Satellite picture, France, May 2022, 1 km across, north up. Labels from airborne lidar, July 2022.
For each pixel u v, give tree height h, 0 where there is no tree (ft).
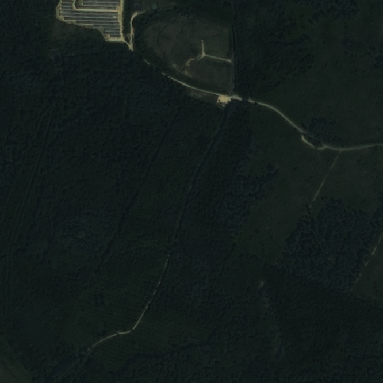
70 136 102
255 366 115
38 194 37
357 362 79
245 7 86
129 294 25
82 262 74
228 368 79
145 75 67
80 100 74
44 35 58
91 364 102
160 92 83
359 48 81
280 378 56
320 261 101
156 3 0
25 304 53
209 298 70
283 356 88
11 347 71
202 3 27
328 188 0
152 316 34
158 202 43
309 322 83
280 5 94
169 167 29
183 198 41
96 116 102
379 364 88
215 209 55
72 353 37
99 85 76
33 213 39
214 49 0
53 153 77
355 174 0
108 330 22
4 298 55
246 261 79
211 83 0
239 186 96
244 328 103
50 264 85
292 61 50
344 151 0
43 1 33
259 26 54
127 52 57
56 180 56
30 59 29
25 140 59
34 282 29
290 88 0
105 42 23
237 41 45
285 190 0
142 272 32
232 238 51
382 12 0
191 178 45
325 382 32
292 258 102
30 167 48
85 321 21
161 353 19
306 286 81
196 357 86
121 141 95
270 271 79
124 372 79
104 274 33
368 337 71
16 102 62
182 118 48
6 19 106
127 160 96
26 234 38
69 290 34
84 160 92
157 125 37
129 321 25
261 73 48
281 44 76
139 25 35
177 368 88
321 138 75
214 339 74
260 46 73
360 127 0
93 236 85
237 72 24
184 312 54
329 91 0
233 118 79
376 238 102
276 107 0
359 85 0
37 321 58
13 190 36
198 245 67
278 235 0
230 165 71
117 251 54
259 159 75
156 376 62
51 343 60
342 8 0
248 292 82
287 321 85
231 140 58
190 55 0
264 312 75
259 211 0
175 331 23
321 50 0
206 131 34
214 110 46
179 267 75
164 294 65
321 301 77
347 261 85
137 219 68
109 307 20
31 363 39
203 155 58
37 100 50
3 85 62
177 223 39
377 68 57
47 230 92
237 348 92
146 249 38
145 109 86
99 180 61
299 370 21
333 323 81
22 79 97
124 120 49
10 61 98
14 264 46
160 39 0
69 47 27
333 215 92
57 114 21
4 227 47
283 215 0
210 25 0
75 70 84
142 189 46
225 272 84
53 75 73
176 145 50
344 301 79
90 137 75
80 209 73
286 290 78
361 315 89
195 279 84
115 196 72
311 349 78
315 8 0
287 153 0
